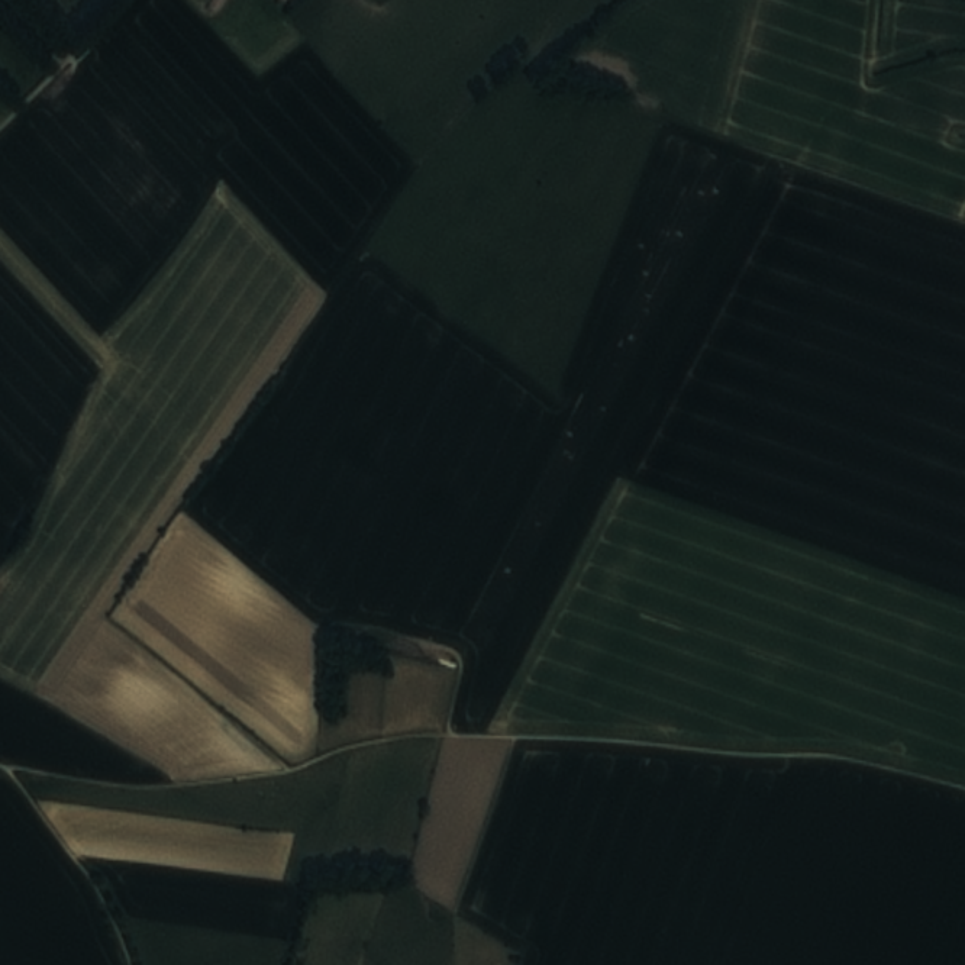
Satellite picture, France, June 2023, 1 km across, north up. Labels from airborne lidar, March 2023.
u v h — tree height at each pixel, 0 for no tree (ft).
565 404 0
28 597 0
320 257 0
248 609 0
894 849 0
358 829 0
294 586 0
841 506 0
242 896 0
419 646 0
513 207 0
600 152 0
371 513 0
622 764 0
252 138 0
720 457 0
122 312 0
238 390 0
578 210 0
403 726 0
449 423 0
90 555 0
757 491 0
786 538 0
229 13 0
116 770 0
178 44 0
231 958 0
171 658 0
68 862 0
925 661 0
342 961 0
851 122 0
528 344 0
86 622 0
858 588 0
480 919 0
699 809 0
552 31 0
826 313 0
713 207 0
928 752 0
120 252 0
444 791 0
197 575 0
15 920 0
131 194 0
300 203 0
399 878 64
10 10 108
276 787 0
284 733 0
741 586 0
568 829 0
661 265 0
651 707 0
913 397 0
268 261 0
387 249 0
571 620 0
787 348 0
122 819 0
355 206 0
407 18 0
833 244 0
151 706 0
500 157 0
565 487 0
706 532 0
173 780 0
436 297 0
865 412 0
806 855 0
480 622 0
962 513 0
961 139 0
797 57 0
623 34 0
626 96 51
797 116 0
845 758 0
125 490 0
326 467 0
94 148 0
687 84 0
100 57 0
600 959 0
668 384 0
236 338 0
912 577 0
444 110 0
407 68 0
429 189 0
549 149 0
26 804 0
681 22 0
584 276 0
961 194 0
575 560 0
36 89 0
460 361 0
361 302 0
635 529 0
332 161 0
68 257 0
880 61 0
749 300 0
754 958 0
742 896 0
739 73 0
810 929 0
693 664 0
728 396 0
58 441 0
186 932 0
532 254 0
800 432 0
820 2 0
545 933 0
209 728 0
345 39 0
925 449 0
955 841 0
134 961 20
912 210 0
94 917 0
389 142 0
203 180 0
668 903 0
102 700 0
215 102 0
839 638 0
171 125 0
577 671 0
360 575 0
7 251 0
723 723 0
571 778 0
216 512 0
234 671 0
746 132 0
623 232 0
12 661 0
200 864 0
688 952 0
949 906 0
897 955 0
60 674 0
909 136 0
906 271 0
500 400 0
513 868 0
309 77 0
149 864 0
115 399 0
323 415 0
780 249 0
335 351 0
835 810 0
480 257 0
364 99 0
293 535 0
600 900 0
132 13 0
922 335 0
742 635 0
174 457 0
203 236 0
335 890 48
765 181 0
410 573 0
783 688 0
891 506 0
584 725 0
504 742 0
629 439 0
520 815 0
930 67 0
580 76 63
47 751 0
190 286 0
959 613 0
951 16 0
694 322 0
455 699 0
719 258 0
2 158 0
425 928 0
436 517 0
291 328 0
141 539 0
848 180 0
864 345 0
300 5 22
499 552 0
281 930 0
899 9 0
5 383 0
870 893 0
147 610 0
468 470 0
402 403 0
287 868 0
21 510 0
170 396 0
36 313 0
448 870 0
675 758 0
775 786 0
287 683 0
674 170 0
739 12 0
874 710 0
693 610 0
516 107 0
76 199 0
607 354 0
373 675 0
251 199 0
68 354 0
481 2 0
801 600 0
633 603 0
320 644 56
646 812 0
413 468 0
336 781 0
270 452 0
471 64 0
